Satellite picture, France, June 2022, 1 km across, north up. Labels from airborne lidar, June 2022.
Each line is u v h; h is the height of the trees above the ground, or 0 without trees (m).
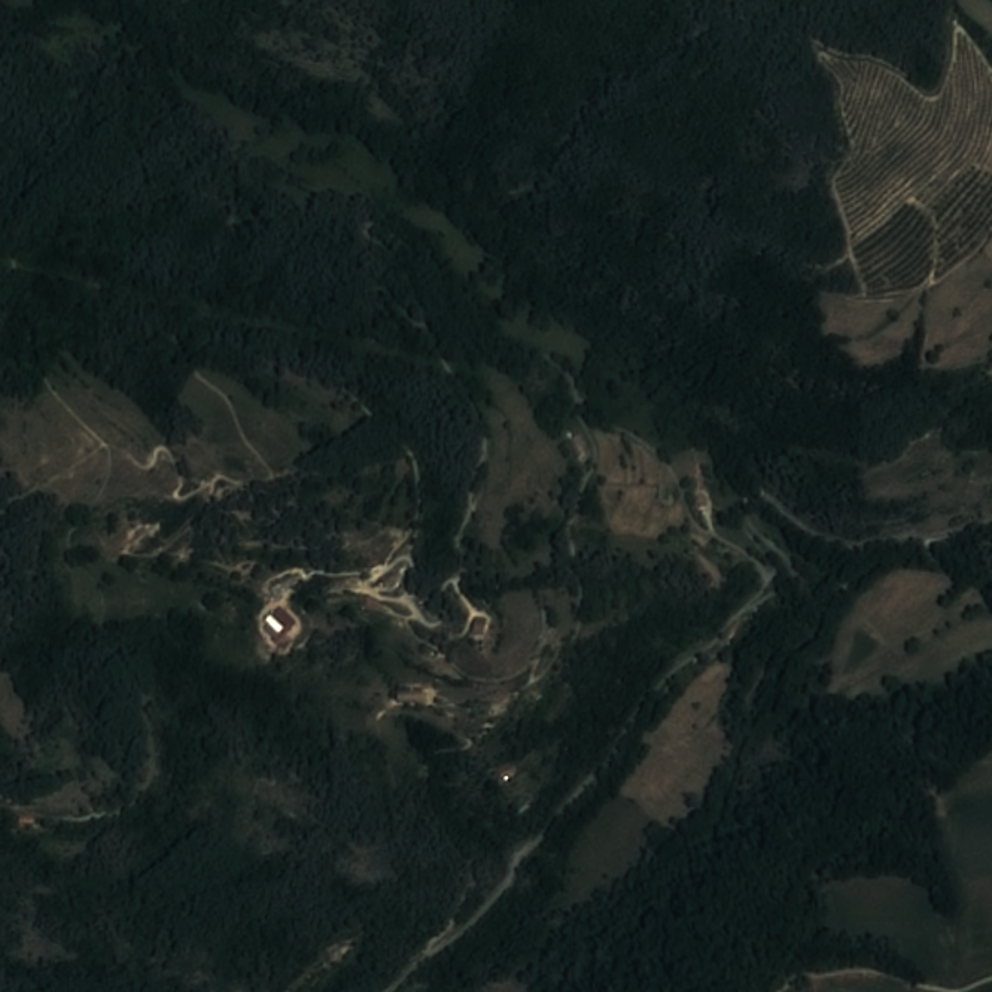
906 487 0
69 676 17
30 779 12
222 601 18
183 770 8
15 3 0
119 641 17
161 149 22
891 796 20
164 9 15
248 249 24
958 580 19
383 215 21
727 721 19
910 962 14
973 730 22
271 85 15
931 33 20
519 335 0
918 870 16
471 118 15
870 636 0
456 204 12
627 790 0
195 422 24
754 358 18
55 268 16
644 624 10
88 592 0
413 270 22
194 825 9
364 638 13
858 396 17
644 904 17
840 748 16
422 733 18
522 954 19
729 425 7
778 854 23
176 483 0
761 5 17
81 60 7
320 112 21
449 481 20
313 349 19
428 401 27
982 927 0
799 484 12
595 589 6
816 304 15
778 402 13
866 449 27
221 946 10
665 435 9
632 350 23
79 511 8
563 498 10
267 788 0
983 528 24
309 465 20
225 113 0
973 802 0
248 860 26
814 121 13
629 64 23
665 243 14
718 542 9
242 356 18
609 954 18
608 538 10
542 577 16
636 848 0
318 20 9
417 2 22
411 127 7
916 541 22
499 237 13
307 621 0
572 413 10
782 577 10
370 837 13
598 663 10
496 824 9
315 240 14
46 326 19
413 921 12
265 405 8
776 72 16
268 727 11
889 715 28
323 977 6
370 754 10
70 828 6
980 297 0
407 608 0
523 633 0
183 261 25
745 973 23
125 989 22
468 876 12
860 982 0
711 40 10
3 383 14
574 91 20
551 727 10
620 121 19
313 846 17
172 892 24
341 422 0
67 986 23
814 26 17
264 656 0
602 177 17
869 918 0
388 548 0
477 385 14
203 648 9
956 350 0
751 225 20
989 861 0
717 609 6
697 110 14
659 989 15
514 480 0
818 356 18
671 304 14
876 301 0
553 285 16
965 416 15
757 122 16
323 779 12
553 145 18
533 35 14
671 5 14
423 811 9
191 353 17
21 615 23
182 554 0
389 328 21
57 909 6
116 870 16
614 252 21
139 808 6
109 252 22
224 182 16
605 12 13
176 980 9
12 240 26
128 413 0
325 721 9
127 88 21
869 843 15
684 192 17
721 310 19
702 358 17
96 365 21
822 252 14
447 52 13
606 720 17
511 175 20
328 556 16
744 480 17
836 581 17
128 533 0
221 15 11
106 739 21
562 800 9
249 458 0
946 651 0
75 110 22
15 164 24
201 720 13
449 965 16
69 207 22
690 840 20
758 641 24
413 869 9
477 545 22
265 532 8
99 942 6
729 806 15
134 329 20
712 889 24
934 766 22
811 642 11
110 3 26
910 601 0
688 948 24
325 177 0
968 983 0
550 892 15
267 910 11
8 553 20
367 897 20
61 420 0
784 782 18
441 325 21
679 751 0
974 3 0
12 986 22
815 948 15
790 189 7
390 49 9
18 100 23
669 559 7
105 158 34
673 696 9
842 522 19
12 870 17
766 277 24
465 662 0
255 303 22
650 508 0
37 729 10
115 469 0
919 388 23
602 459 0
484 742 6
